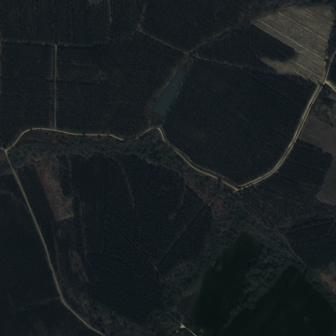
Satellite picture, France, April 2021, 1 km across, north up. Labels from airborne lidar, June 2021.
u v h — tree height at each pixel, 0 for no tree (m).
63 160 17
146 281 18
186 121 14
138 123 16
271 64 0
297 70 0
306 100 14
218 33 14
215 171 14
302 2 17
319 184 11
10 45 14
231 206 14
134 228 16
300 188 8
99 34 13
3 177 9
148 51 17
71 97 15
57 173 9
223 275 0
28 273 8
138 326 13
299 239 9
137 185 17
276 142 16
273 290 0
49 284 10
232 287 0
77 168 11
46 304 8
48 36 12
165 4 15
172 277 16
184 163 17
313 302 0
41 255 9
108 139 6
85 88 15
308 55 0
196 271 17
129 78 15
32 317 11
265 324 0
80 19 13
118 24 13
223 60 14
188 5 18
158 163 19
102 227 7
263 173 14
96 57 18
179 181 19
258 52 17
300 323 0
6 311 9
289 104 19
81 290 10
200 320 0
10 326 8
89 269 18
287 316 0
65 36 13
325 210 10
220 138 14
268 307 0
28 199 7
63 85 12
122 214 18
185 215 16
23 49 15
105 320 13
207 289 0
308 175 11
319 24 0
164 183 19
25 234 9
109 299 18
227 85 12
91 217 8
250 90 13
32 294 8
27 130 0
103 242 9
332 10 0
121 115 15
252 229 18
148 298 17
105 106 14
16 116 14
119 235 17
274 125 15
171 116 15
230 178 16
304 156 10
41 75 12
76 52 16
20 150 17
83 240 16
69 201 0
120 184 18
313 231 10
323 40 0
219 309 0
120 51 17
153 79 13
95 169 9
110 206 16
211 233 16
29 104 14
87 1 14
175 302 14
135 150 11
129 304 17
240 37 16
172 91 0
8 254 7
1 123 12
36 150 13
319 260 16
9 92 13
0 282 8
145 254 18
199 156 14
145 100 15
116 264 15
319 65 0
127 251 18
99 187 11
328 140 0
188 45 15
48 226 11
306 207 8
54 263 8
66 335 8
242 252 0
